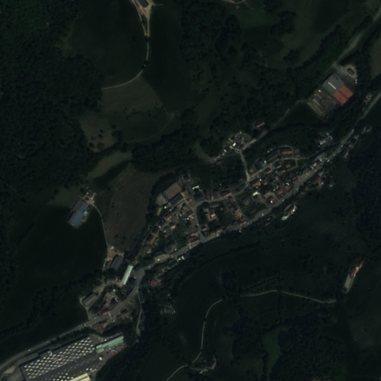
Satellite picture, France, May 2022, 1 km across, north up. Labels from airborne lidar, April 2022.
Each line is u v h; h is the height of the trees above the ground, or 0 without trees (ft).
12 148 85
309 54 0
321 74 47
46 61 90
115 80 0
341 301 47
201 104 0
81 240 0
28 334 0
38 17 68
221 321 0
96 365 0
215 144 59
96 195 0
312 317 0
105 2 0
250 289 31
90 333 43
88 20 0
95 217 0
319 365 74
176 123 0
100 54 0
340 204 0
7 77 92
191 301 0
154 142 0
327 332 0
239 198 0
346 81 0
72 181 77
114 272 35
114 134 31
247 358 0
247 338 74
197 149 0
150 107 0
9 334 52
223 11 25
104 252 0
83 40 0
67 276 0
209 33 90
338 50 65
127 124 0
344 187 0
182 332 0
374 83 48
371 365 0
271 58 0
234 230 0
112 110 0
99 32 0
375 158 107
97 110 82
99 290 0
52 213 0
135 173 0
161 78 0
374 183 97
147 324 62
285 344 93
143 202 0
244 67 23
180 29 0
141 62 0
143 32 0
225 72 0
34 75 101
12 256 73
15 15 88
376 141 0
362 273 0
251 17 0
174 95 0
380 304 0
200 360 0
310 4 0
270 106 65
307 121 0
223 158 0
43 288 0
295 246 20
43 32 73
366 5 0
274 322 0
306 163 0
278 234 0
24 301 0
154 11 0
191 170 0
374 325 0
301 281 0
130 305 0
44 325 0
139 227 0
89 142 0
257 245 24
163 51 0
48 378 0
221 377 0
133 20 0
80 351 0
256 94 62
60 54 88
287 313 0
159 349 0
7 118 69
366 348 0
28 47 108
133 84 0
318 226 0
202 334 0
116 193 0
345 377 0
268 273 0
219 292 0
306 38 0
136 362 74
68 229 0
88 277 61
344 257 0
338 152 0
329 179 17
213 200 0
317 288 0
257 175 0
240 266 0
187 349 0
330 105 0
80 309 0
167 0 0
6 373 0
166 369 0
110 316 0
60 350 0
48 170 88
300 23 0
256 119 66
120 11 0
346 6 0
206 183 0
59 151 99
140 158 73
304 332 99
